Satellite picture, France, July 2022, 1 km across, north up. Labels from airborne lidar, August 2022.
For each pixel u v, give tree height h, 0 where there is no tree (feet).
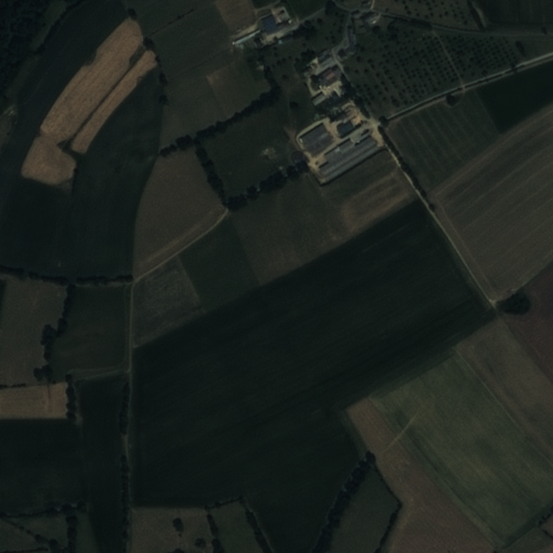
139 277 0
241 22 0
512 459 0
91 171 0
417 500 0
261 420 0
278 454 0
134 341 0
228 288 0
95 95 0
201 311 0
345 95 23
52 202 0
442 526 0
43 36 0
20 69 27
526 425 0
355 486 72
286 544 0
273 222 0
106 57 0
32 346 0
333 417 0
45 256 0
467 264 0
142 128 0
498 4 0
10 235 0
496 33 0
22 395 0
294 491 0
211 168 56
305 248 0
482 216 0
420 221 0
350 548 0
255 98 0
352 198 0
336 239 0
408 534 0
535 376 0
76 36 0
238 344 0
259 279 0
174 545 0
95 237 0
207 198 0
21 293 0
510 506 0
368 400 0
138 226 0
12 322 0
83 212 0
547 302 0
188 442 0
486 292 0
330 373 0
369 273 0
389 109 0
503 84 0
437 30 0
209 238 0
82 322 0
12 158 0
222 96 0
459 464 0
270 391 0
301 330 0
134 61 0
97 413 0
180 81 0
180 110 0
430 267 0
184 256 0
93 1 0
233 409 0
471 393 0
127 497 51
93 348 0
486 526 0
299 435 0
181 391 0
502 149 0
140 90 0
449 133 0
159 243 0
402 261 0
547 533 27
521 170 0
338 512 66
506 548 0
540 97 0
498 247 0
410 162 0
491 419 0
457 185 0
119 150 0
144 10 0
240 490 0
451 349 0
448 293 0
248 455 0
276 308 0
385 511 0
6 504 0
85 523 0
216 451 0
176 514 0
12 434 0
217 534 41
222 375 0
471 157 0
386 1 0
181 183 0
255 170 0
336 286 0
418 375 0
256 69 0
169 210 0
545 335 0
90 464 0
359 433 0
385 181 0
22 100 0
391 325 0
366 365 0
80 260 0
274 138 0
